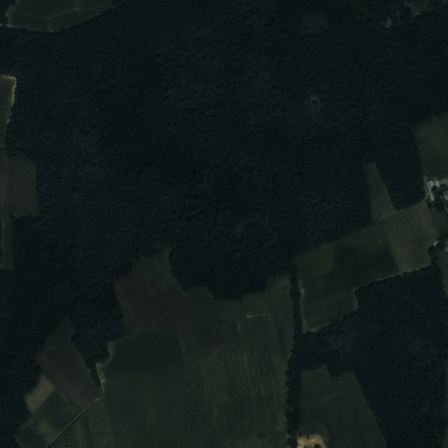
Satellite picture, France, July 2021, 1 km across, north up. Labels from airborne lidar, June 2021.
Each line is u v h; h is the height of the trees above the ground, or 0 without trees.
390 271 0
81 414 0
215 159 16
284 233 20
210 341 0
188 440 0
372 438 0
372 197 0
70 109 19
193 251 18
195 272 16
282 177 27
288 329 0
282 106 23
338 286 0
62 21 0
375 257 0
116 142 16
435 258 15
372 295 22
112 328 19
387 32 18
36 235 18
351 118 16
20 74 16
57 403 0
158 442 0
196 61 14
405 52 15
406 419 21
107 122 22
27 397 0
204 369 0
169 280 0
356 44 15
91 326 21
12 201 0
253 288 17
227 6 22
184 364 0
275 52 17
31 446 0
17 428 19
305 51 19
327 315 0
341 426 0
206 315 0
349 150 23
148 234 27
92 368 16
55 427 0
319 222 23
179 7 16
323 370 0
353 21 19
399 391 24
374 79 19
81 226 22
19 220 9
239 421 0
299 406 7
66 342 0
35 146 17
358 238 0
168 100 21
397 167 18
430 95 17
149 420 0
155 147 17
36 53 21
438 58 23
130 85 18
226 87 21
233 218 25
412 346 22
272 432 0
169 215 25
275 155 27
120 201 18
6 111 0
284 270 10
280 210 19
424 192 11
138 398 0
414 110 22
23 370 25
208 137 13
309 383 0
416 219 0
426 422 14
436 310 25
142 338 0
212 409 0
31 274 13
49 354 0
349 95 14
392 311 24
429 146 0
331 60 20
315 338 18
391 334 27
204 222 26
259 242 16
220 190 20
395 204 13
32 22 0
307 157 23
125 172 21
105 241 21
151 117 22
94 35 19
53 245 18
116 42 16
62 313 21
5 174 0
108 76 20
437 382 21
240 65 22
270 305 0
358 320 22
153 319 0
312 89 22
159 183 23
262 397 0
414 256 0
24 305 15
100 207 22
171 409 0
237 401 0
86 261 24
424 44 16
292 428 13
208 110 21
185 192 12
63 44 19
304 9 17
